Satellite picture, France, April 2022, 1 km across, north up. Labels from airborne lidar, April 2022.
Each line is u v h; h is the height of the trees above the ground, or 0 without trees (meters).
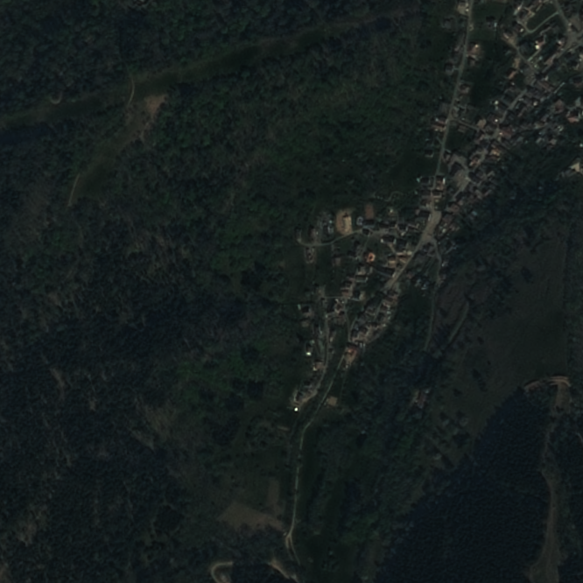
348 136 12
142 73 18
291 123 26
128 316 21
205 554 17
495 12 0
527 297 0
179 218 24
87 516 24
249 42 18
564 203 12
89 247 17
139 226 28
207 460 26
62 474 22
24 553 25
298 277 0
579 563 24
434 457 12
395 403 12
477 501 24
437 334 0
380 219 9
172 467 22
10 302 25
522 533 22
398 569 23
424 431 8
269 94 16
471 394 0
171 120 16
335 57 27
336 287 0
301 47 0
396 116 17
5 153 26
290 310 0
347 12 28
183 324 26
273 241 16
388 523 12
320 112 24
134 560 16
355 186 7
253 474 0
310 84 24
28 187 21
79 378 17
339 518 0
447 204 0
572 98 0
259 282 9
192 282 24
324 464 17
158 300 30
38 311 14
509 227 18
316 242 0
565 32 0
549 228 11
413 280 7
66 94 13
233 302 28
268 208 17
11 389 20
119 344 24
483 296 0
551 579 0
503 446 25
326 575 0
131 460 21
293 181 0
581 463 22
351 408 0
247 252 22
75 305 27
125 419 20
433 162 0
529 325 0
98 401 20
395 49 22
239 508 0
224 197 28
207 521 18
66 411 24
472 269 0
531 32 0
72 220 25
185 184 22
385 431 22
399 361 18
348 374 0
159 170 29
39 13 12
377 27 19
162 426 22
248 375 16
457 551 23
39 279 22
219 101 25
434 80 12
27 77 25
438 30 0
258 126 28
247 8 35
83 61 24
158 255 30
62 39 28
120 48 25
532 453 24
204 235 33
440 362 10
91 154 22
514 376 0
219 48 25
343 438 19
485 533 29
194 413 25
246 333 21
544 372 0
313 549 0
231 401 15
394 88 18
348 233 0
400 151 7
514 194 7
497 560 23
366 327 0
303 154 5
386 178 0
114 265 30
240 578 24
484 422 0
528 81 0
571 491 18
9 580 6
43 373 25
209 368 19
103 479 24
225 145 26
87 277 28
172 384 21
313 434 0
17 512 23
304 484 0
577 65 8
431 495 22
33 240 17
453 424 14
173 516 14
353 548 0
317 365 0
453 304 0
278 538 21
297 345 0
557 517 0
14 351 25
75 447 22
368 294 0
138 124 0
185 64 18
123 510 25
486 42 0
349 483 0
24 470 23
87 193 0
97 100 0
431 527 24
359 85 15
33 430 21
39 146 25
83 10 26
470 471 21
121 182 19
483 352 0
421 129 9
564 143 7
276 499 0
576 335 15
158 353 22
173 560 22
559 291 0
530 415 24
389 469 14
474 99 0
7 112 22
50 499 20
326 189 0
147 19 27
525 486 20
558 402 0
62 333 32
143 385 16
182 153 21
